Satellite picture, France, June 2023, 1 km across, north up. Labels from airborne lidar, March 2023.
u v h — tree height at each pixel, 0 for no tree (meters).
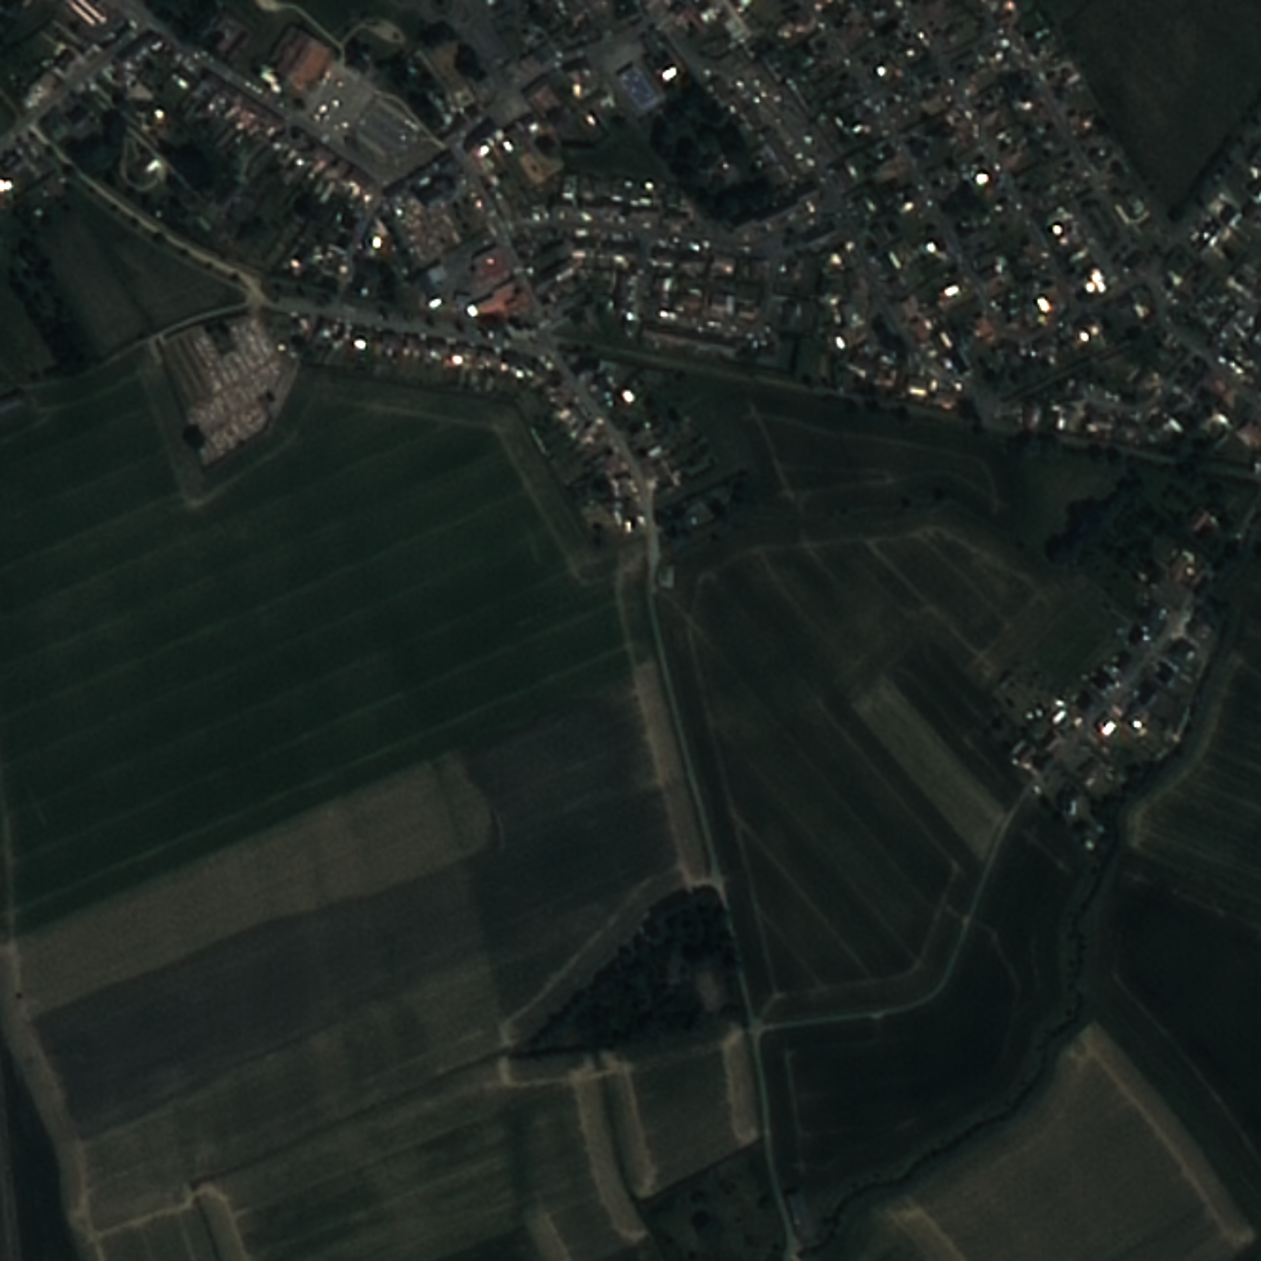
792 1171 0
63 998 0
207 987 0
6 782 0
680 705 0
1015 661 0
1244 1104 0
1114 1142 0
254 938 0
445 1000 0
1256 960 0
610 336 0
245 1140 0
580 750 0
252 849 0
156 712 0
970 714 0
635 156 0
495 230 0
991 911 0
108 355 0
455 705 0
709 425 0
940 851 0
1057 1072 0
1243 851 0
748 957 0
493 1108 0
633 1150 0
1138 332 7
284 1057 0
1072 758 0
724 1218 0
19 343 0
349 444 0
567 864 0
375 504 0
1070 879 0
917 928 0
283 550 0
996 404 0
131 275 0
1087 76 0
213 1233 0
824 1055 0
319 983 0
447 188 0
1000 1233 0
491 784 0
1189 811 0
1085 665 0
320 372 0
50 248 0
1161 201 0
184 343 0
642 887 0
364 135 0
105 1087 0
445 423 0
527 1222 0
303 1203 0
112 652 0
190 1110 0
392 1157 0
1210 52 0
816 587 0
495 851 0
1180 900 0
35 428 0
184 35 14
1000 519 0
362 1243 0
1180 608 0
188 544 0
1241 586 0
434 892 0
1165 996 0
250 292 0
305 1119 0
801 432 0
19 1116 0
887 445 0
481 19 0
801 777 0
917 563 0
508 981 0
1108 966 0
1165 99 0
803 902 0
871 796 0
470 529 0
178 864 0
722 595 0
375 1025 0
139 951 0
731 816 0
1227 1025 0
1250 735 0
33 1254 0
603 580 0
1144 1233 0
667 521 8
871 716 0
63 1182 0
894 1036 0
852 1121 0
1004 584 0
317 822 0
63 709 0
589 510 0
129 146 0
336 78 0
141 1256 0
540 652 0
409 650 0
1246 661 0
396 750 0
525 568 0
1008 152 0
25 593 0
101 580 0
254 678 0
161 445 0
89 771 0
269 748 0
